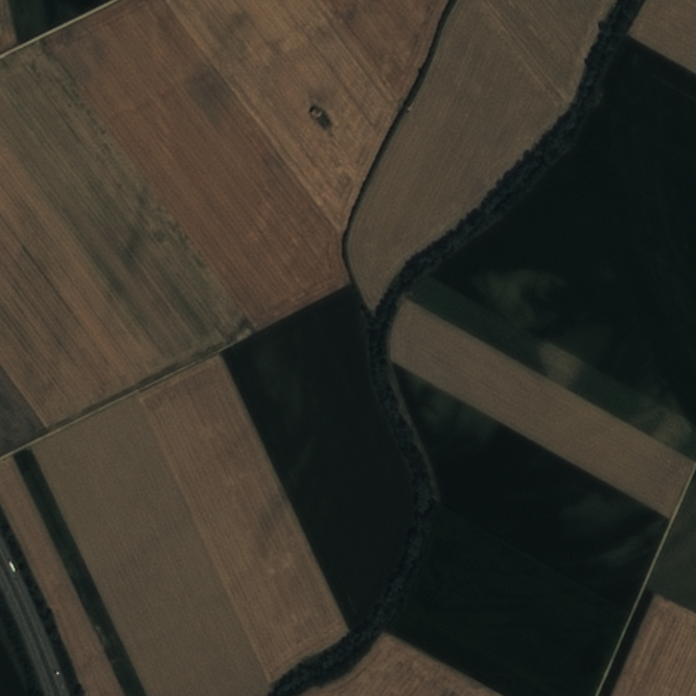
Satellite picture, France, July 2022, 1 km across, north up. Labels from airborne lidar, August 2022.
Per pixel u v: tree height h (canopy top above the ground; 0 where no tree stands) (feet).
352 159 0
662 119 0
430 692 0
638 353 0
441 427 0
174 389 0
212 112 0
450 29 0
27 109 0
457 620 0
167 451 0
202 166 0
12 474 0
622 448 0
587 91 52
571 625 0
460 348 0
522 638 0
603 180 0
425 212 0
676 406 0
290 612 0
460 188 0
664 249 0
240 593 0
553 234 0
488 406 0
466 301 0
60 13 0
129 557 0
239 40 0
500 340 0
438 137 0
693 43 0
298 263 0
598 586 0
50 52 0
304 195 0
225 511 0
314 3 0
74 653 0
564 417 0
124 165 0
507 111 0
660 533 0
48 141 0
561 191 0
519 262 0
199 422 0
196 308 0
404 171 0
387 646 0
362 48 0
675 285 0
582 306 0
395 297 24
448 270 0
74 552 0
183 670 0
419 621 0
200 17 0
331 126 0
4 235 0
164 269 0
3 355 0
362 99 0
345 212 0
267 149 0
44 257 0
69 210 0
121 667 0
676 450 0
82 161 0
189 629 0
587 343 0
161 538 0
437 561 0
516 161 0
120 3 0
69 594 0
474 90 0
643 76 0
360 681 0
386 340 29
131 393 0
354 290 20
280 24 0
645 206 0
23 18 0
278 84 0
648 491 0
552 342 0
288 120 0
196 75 0
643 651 0
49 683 0
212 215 0
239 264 0
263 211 0
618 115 0
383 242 0
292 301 0
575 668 0
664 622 0
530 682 0
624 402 0
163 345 0
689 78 0
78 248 0
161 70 0
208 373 0
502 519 0
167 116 0
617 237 0
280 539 0
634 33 0
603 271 0
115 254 0
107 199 0
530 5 0
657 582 0
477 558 0
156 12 0
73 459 0
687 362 0
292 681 57
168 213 0
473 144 0
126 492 0
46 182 0
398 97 0
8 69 0
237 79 0
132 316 0
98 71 0
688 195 0
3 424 0
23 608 0
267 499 0
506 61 0
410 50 0
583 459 0
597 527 0
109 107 0
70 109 0
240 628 0
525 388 0
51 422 0
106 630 0
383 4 0
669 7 0
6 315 0
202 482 0
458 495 0
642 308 0
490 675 0
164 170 0
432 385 0
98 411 0
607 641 0
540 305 0
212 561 0
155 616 0
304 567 0
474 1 0
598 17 0
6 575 0
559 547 0
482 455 0
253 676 0
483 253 0
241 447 0
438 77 0
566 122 60
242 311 0
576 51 0
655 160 0
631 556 0
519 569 0
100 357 0
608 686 0
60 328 0
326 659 45
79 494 0
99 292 0
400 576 51
